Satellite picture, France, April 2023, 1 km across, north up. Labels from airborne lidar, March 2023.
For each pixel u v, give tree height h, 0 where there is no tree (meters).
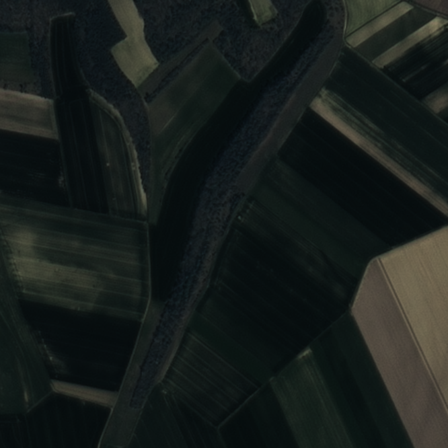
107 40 15
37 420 0
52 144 0
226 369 0
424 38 0
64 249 0
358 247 0
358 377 0
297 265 0
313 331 0
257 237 0
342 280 0
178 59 0
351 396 0
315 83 0
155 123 0
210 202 10
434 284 0
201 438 0
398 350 0
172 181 0
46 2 14
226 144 0
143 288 0
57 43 0
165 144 0
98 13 15
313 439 0
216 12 10
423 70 0
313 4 0
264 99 16
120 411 0
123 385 0
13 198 0
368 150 0
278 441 0
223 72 0
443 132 0
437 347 0
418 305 0
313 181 0
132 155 0
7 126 0
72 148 0
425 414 0
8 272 0
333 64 0
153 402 0
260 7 0
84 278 0
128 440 0
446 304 0
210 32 0
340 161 0
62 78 0
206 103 0
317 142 0
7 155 0
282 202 0
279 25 12
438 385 0
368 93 0
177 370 0
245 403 0
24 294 0
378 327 0
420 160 0
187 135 0
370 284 0
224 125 0
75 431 0
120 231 0
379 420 0
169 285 0
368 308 0
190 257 12
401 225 0
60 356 0
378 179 0
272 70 0
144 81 0
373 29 0
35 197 0
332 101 0
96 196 0
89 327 0
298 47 0
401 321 0
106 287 0
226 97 0
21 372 0
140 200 0
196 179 0
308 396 0
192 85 0
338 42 0
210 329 0
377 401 0
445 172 0
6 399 0
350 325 0
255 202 0
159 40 10
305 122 0
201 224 11
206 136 0
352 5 0
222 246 0
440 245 0
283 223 0
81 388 0
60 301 0
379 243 0
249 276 0
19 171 0
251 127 16
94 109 0
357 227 0
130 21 0
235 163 7
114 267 0
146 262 0
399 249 0
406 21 0
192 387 0
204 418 0
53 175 0
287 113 0
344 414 0
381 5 0
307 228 0
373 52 0
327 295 0
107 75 13
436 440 0
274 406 0
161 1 16
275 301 0
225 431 0
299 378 0
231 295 0
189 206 0
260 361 0
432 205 0
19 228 0
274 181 0
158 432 0
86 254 0
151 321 0
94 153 0
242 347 0
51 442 0
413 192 0
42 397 0
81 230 0
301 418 0
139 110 12
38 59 14
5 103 0
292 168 0
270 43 14
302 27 0
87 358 0
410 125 0
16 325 0
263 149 0
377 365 0
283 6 14
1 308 0
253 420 0
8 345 0
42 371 0
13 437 0
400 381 0
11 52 0
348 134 0
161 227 0
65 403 0
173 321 12
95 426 0
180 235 0
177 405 0
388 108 0
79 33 16
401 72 0
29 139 0
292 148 0
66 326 0
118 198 0
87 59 14
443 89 0
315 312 0
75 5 15
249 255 0
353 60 0
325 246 0
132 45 0
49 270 0
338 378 0
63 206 0
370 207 0
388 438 0
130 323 0
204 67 0
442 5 0
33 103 0
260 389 0
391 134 0
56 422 0
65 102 0
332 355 0
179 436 0
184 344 0
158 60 8
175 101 0
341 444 0
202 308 0
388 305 0
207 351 0
